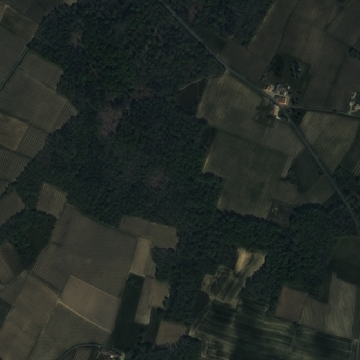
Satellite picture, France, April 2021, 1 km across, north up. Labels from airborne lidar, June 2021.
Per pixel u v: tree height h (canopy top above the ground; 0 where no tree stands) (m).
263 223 24
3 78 0
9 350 0
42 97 0
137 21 23
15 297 0
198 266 27
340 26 0
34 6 0
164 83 21
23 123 0
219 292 0
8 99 0
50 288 0
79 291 0
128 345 0
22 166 0
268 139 0
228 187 0
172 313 22
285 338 0
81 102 17
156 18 18
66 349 0
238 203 0
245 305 0
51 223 17
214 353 0
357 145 0
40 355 0
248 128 0
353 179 0
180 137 15
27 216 20
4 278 0
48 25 13
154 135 12
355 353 0
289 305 0
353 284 0
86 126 23
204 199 22
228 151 0
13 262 0
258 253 0
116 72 20
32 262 0
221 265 15
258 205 0
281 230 16
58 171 17
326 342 0
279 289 19
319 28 0
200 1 21
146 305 0
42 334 0
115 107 24
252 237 24
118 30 24
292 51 0
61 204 0
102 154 23
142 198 24
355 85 0
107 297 0
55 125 0
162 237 0
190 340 17
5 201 0
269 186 0
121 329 0
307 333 0
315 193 0
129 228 0
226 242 25
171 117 24
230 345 0
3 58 0
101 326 0
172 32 24
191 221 23
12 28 0
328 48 0
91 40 27
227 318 0
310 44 0
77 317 0
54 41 20
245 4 20
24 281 0
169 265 21
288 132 0
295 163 0
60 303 0
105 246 0
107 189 6
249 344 0
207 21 10
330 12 0
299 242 18
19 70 0
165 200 15
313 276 26
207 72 19
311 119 0
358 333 0
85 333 0
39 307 0
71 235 0
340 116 0
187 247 22
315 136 0
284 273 22
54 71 0
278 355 0
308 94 0
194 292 19
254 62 0
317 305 0
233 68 0
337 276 0
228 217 25
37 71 0
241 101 0
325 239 23
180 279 21
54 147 15
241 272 0
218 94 0
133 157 14
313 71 0
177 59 17
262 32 0
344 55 0
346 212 22
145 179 13
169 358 23
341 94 0
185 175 25
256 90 0
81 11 24
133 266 0
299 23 0
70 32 23
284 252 23
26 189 15
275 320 0
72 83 18
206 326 0
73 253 0
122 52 22
